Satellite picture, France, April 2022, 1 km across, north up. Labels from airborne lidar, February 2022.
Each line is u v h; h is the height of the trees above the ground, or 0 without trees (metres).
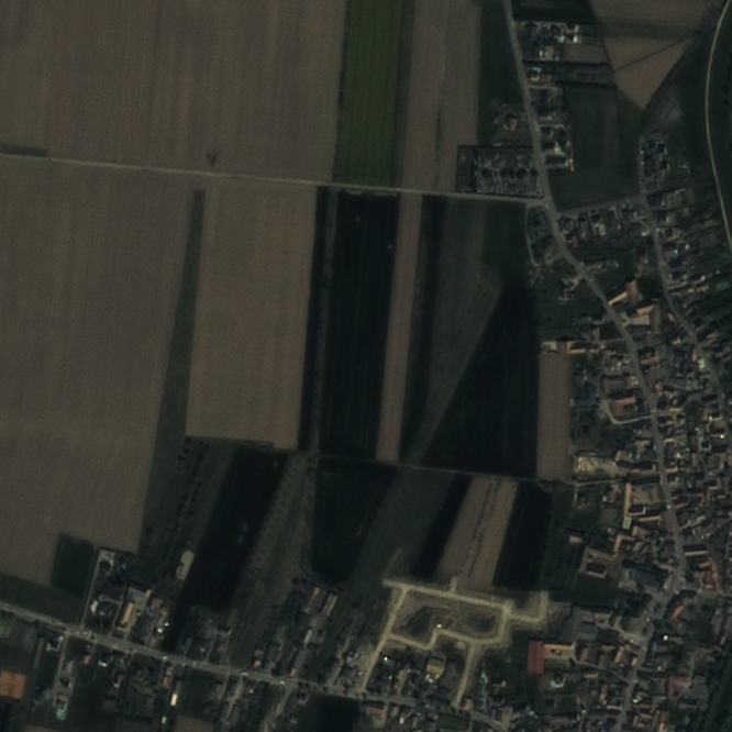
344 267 0
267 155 0
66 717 0
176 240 0
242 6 0
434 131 0
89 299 0
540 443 0
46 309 0
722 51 0
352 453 0
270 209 0
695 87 0
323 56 0
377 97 0
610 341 0
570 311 0
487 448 0
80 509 0
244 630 0
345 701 0
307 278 0
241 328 0
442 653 0
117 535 0
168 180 0
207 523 0
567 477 0
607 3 0
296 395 0
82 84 0
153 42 0
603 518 0
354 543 0
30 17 0
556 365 0
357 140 0
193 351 0
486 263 0
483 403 0
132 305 0
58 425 0
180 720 0
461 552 0
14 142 0
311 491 0
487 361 0
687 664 0
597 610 0
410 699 0
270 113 0
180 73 0
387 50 0
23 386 0
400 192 0
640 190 0
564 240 0
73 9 0
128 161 0
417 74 0
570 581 0
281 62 0
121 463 0
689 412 0
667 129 0
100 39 0
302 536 0
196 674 0
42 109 0
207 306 0
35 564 0
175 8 0
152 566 0
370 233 0
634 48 0
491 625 0
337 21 0
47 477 0
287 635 0
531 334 0
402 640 0
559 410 0
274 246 0
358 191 0
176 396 0
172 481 0
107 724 0
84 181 0
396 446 0
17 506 0
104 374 0
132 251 0
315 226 0
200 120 0
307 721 0
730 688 0
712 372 0
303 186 0
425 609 0
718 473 0
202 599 0
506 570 0
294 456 6
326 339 0
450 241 0
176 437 0
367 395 0
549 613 0
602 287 0
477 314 0
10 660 0
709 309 0
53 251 0
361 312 0
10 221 0
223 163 0
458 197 0
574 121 0
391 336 0
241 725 0
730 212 0
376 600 0
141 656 0
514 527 0
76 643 0
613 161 0
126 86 0
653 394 0
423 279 0
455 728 0
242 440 0
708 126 0
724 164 0
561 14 0
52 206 0
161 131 0
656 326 0
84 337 0
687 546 0
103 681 0
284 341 0
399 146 0
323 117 0
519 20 11
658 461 0
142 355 0
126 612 0
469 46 0
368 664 0
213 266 0
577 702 0
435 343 0
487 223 0
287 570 0
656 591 0
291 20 0
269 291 0
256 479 0
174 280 0
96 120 0
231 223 0
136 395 0
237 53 0
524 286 0
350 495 0
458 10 0
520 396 0
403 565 0
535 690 0
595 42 0
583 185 0
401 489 0
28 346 0
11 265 0
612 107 0
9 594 0
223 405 0
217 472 0
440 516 0
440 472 0
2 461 0
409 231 0
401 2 0
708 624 0
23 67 0
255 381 0
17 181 0
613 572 0
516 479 0
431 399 0
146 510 0
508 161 0
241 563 0
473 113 0
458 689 0
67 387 0
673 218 0
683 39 0
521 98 0
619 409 0
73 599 0
